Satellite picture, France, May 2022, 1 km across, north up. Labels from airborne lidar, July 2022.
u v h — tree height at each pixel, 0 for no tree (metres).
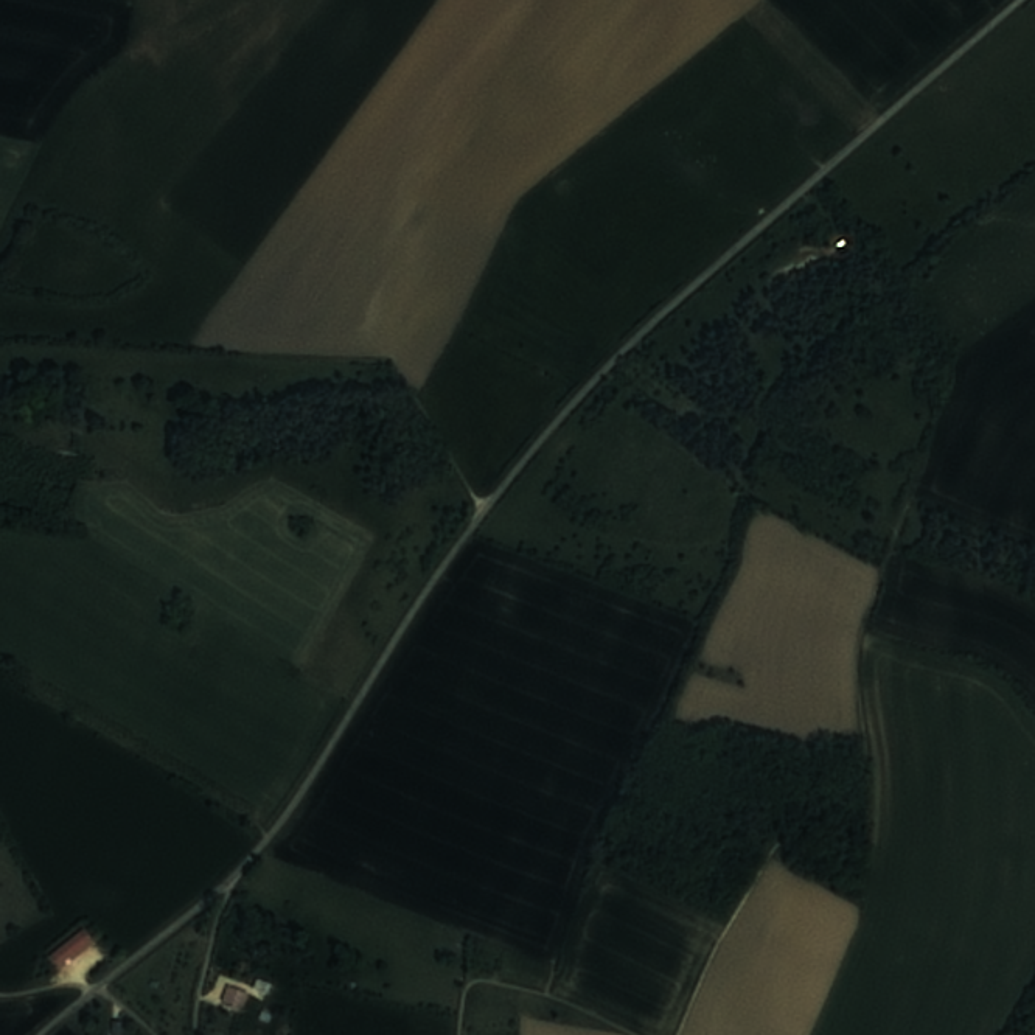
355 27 0
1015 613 0
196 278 0
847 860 18
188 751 0
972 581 0
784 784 16
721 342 16
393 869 0
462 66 0
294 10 0
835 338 13
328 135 0
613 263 0
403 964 0
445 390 0
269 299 0
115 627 0
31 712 0
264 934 8
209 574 0
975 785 0
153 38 0
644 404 9
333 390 18
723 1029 0
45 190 0
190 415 15
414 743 0
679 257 0
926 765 0
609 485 0
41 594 0
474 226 0
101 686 0
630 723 0
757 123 0
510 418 0
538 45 0
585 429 7
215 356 8
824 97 0
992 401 0
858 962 0
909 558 11
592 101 0
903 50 0
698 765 18
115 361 0
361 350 0
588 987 0
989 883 0
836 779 23
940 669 0
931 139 0
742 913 0
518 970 0
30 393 22
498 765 0
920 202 0
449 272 0
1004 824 0
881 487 0
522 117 0
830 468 12
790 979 0
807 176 0
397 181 0
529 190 0
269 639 0
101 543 0
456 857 0
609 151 0
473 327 0
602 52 0
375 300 0
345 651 0
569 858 0
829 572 0
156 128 0
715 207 0
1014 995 0
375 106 0
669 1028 0
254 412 21
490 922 0
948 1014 0
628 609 0
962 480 0
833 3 0
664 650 0
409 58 0
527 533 0
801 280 11
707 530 0
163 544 0
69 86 0
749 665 0
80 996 0
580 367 0
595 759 0
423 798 0
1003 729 0
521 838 0
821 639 0
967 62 0
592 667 0
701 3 0
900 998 0
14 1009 0
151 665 0
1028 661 0
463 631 0
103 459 0
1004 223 0
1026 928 0
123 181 0
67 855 0
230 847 0
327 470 0
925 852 0
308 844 0
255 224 0
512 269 0
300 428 19
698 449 19
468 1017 0
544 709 0
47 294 8
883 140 0
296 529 10
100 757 0
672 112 0
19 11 0
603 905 0
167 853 0
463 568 0
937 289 0
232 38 0
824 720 0
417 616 0
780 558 0
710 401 20
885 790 0
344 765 0
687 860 16
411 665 0
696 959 0
